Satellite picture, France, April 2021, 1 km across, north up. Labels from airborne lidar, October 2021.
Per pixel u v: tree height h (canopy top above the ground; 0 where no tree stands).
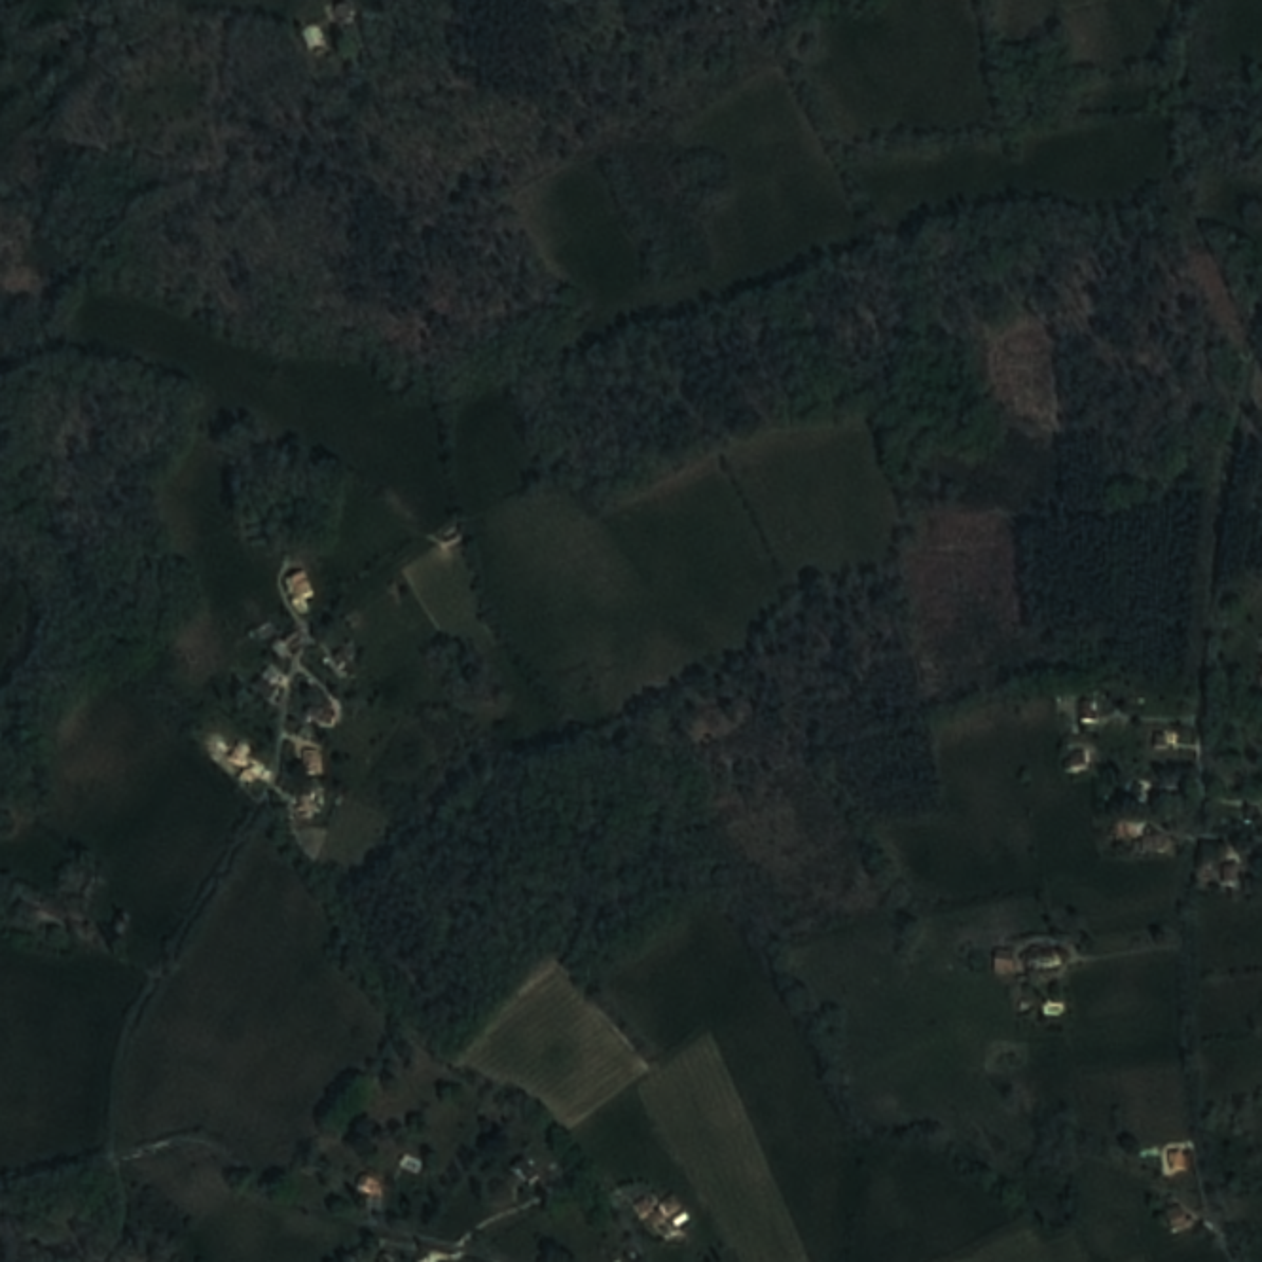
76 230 11
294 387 0
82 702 12
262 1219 0
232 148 10
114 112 16
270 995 0
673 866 23
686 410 12
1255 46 0
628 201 15
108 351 0
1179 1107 0
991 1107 0
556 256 0
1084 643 10
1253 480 18
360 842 0
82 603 24
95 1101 0
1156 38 0
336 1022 0
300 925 0
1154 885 0
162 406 22
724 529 0
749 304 20
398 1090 19
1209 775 13
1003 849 0
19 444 23
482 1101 12
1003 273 22
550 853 23
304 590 0
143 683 7
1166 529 17
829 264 20
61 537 20
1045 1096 0
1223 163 15
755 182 0
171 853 0
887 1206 0
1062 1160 17
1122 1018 0
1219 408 17
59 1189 25
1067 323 13
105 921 0
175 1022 0
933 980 0
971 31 0
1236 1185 11
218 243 16
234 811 0
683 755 21
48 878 0
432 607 0
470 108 17
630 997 0
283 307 19
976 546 6
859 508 0
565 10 15
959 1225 0
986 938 0
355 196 20
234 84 16
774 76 0
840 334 20
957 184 0
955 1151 9
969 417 20
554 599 0
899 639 12
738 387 29
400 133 15
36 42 17
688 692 18
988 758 0
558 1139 16
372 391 0
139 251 17
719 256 0
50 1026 0
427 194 9
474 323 11
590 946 19
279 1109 0
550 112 18
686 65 12
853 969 0
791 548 0
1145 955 0
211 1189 0
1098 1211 0
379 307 16
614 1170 0
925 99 0
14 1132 0
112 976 0
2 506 23
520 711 0
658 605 0
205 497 0
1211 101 13
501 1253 0
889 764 12
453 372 23
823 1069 15
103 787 0
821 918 11
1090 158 0
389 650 0
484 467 0
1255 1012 0
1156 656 16
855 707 13
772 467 0
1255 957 0
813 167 0
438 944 22
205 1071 0
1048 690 19
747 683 16
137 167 11
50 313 13
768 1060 0
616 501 19
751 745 8
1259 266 20
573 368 24
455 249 19
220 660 0
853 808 13
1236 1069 0
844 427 22
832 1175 0
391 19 18
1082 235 14
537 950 18
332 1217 13
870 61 0
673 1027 0
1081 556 18
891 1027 0
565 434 23
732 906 20
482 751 8
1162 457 15
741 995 0
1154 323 15
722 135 0
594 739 13
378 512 0
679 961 0
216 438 7
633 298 0
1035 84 20
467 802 30
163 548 19
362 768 0
